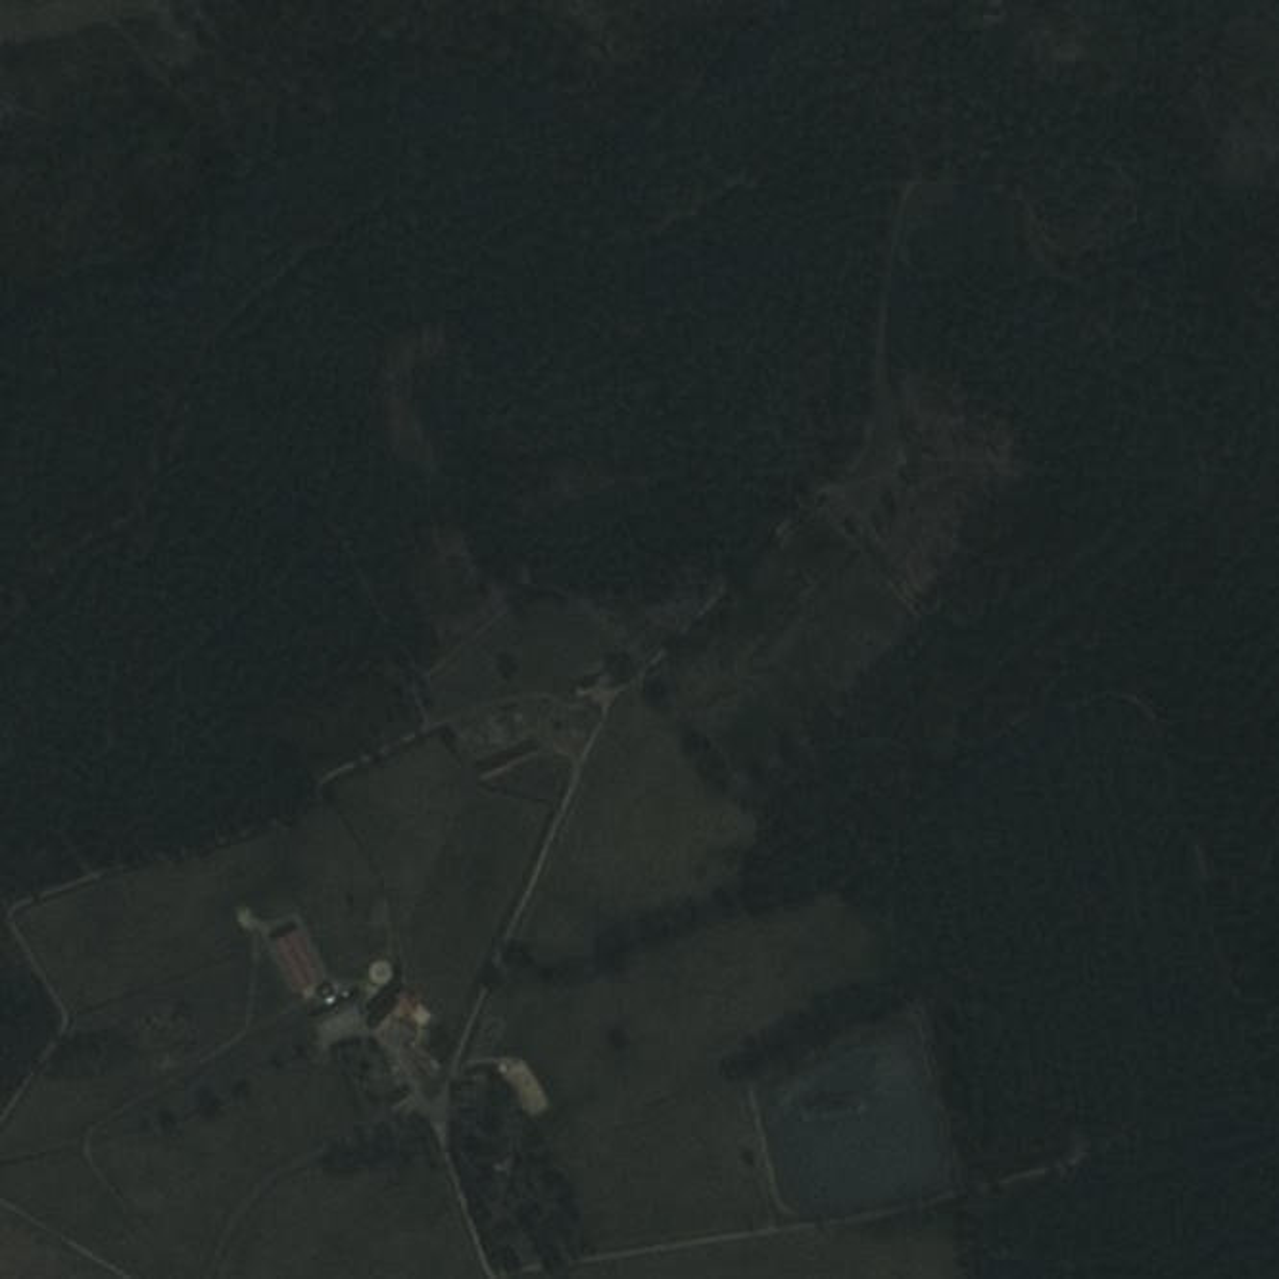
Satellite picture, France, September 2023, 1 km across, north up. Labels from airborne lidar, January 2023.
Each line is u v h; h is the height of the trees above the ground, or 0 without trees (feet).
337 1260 0
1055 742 47
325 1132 0
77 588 28
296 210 69
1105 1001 57
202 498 47
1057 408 38
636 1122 0
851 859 32
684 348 83
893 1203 0
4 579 68
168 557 52
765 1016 0
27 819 21
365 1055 0
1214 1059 61
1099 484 28
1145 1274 81
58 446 60
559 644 0
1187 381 73
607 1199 0
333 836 0
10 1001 70
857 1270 0
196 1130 0
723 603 24
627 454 55
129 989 0
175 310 71
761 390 89
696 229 19
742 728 0
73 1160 0
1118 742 61
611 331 59
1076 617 63
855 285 56
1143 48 32
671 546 40
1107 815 50
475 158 57
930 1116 0
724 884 0
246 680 45
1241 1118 30
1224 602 67
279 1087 0
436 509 63
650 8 52
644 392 49
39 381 75
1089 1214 70
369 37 59
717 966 0
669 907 0
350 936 0
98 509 60
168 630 26
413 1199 0
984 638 98
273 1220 0
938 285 45
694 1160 0
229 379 47
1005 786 58
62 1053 28
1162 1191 72
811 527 0
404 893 0
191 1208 0
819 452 73
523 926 0
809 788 37
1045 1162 0
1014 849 52
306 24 31
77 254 40
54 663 61
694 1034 0
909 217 0
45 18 0
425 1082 0
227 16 51
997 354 29
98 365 71
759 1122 0
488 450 55
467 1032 0
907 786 58
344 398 39
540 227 78
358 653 38
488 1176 41
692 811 0
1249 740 70
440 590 0
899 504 49
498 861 0
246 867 0
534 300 100
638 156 55
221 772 54
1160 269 112
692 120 67
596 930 0
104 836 21
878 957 0
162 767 52
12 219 45
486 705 0
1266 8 26
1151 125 40
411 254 55
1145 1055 59
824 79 53
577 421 55
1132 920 64
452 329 54
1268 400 88
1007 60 69
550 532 40
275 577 23
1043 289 53
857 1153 0
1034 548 30
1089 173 42
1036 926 47
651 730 0
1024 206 38
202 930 0
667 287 50
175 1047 0
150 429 47
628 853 0
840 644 0
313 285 48
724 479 37
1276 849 69
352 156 70
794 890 36
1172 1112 54
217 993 0
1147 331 70
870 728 60
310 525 46
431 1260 0
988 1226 41
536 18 40
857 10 29
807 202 26
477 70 26
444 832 0
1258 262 56
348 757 0
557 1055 0
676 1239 0
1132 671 67
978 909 53
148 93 24
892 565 53
